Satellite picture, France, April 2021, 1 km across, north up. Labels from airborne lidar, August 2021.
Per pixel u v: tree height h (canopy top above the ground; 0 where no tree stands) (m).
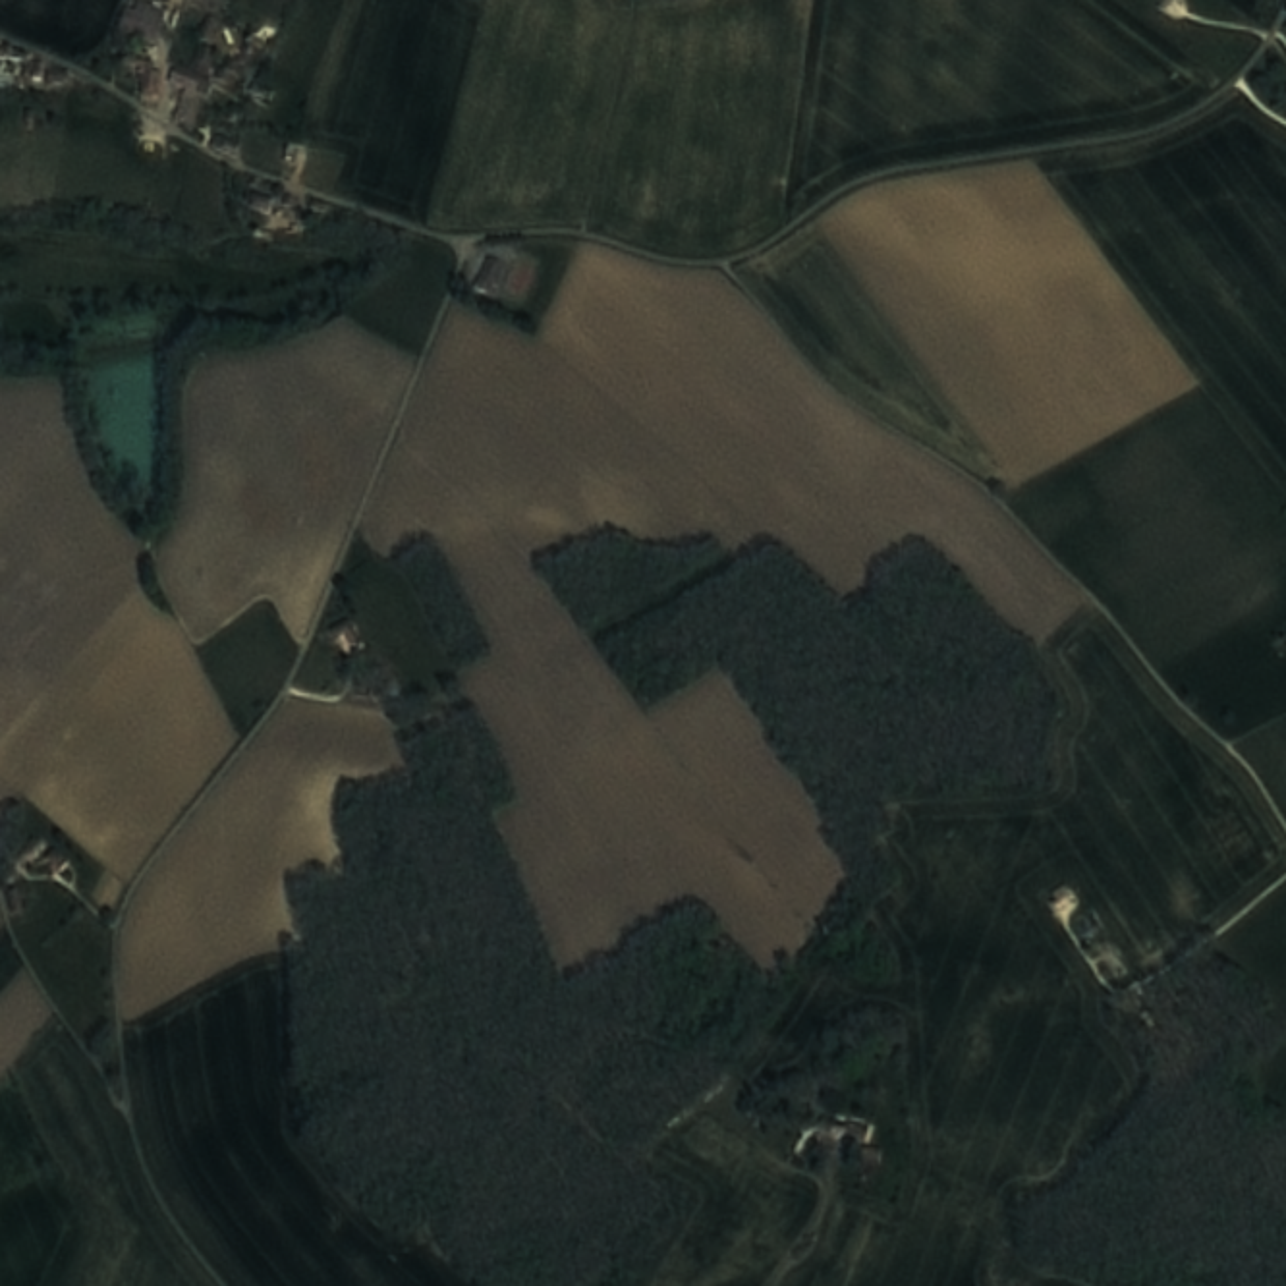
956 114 0
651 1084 17
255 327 16
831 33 0
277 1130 0
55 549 0
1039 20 0
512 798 18
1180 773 0
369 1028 15
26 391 0
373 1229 0
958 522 0
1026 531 0
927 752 19
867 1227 0
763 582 20
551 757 0
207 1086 0
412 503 0
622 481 0
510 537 0
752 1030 18
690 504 0
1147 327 0
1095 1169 22
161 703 0
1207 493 0
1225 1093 19
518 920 19
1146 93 0
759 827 0
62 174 0
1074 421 0
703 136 0
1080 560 0
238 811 0
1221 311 0
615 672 10
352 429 0
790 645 20
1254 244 0
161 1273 0
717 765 0
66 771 0
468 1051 18
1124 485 0
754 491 0
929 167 0
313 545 0
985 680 19
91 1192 0
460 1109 18
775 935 0
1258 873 0
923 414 0
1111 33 0
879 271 0
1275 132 0
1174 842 0
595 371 0
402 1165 15
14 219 16
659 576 11
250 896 0
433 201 0
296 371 0
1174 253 0
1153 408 0
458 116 0
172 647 0
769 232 0
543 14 0
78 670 0
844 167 0
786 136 0
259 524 0
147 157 0
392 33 0
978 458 0
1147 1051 16
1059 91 0
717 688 0
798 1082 16
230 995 0
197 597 0
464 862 19
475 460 0
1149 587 0
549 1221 14
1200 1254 21
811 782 18
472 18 0
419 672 0
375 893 18
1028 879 0
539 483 0
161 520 16
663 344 0
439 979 19
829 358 0
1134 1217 19
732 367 0
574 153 0
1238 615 0
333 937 20
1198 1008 20
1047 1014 0
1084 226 0
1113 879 0
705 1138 0
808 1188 0
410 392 0
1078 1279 17
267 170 0
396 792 18
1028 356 0
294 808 0
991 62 0
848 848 15
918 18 0
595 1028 21
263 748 0
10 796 0
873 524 0
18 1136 0
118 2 9
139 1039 0
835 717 23
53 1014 0
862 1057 18
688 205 0
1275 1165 18
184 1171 0
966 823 0
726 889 0
